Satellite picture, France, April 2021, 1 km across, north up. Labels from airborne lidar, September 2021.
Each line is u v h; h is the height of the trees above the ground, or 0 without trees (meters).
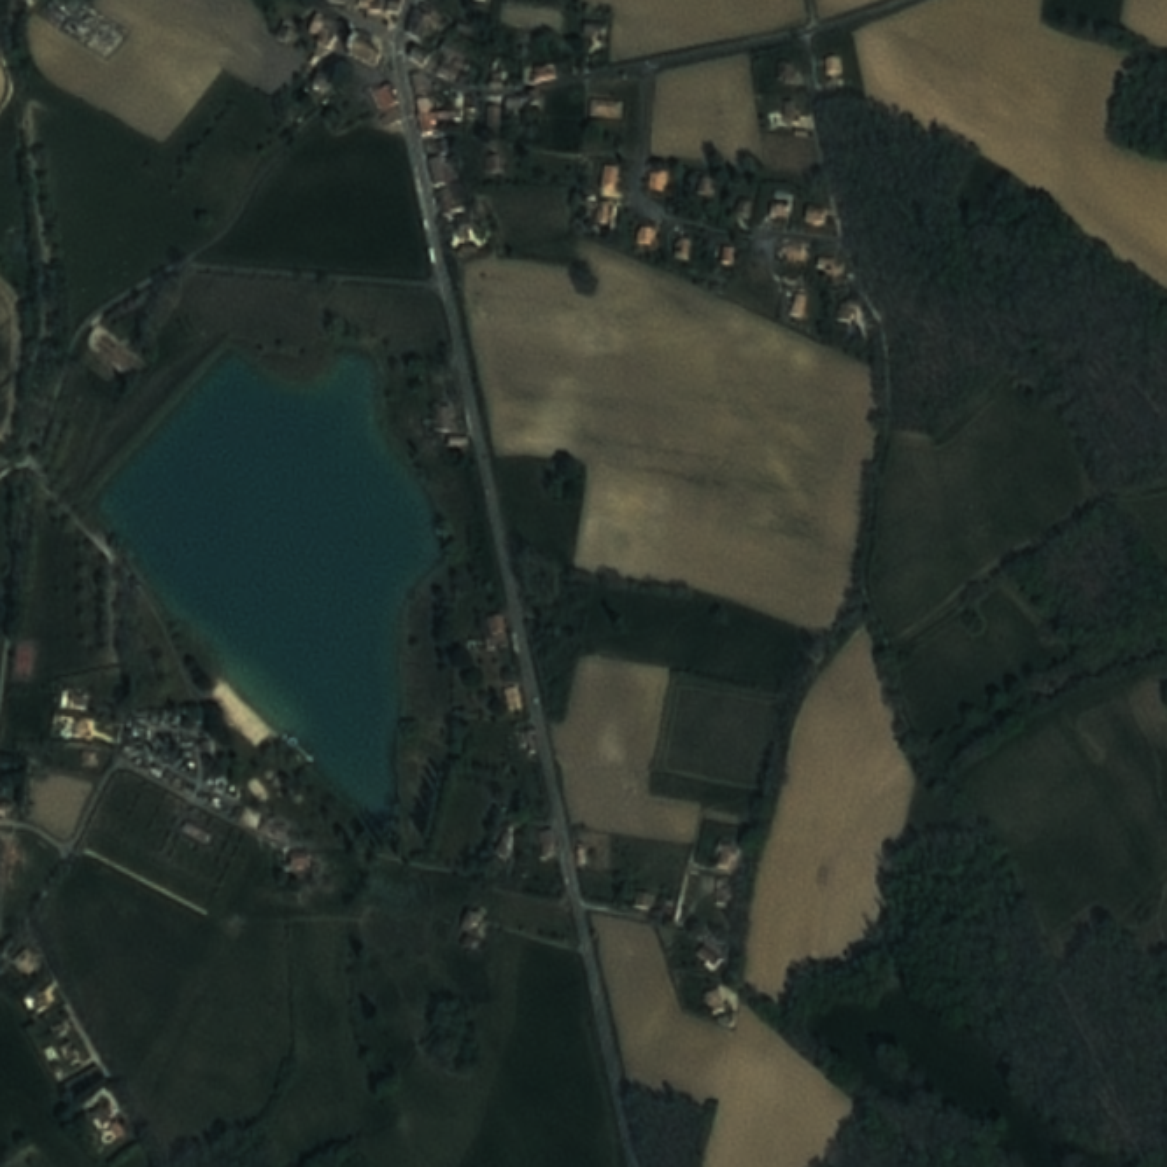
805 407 0
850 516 0
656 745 0
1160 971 20
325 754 0
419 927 0
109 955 0
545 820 9
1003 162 0
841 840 0
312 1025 0
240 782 10
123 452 0
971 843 20
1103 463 17
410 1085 0
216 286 0
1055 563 20
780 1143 0
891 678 16
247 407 0
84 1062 0
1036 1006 22
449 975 0
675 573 0
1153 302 22
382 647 0
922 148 25
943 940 22
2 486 0
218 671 0
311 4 13
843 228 12
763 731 0
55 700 7
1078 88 0
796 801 0
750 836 14
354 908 19
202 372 0
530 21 0
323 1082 0
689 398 0
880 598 0
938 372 11
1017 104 0
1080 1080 18
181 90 0
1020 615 0
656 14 0
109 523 0
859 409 0
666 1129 23
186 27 0
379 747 0
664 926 11
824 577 0
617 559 0
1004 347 17
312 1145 0
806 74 0
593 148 8
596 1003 0
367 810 0
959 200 23
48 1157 0
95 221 0
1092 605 17
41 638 0
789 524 0
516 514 0
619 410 0
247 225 0
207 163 0
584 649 11
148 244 0
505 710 14
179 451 0
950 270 22
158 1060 0
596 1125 0
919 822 0
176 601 0
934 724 0
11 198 0
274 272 0
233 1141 20
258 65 0
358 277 0
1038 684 20
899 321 14
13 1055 0
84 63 0
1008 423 0
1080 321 19
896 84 0
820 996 20
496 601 9
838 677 0
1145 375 17
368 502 0
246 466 0
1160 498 0
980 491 0
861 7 0
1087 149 0
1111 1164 0
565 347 0
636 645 0
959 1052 0
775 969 0
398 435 0
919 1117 22
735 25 0
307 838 9
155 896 0
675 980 0
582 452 0
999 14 0
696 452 0
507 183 11
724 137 0
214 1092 0
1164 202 0
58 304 22
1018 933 20
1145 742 0
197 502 0
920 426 13
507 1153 0
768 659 0
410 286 0
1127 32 12
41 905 14
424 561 0
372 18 0
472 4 11
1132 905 0
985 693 0
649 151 0
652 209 0
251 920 0
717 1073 0
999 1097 0
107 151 0
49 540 0
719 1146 0
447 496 0
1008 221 19
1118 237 0
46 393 17
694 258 7
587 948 0
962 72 0
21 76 17
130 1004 0
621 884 7
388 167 0
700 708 0
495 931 7
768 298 0
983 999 21
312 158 0
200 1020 0
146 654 8
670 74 0
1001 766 0
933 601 0
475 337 0
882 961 23
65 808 0
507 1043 0
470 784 11
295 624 0
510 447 0
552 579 34
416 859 8
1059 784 0
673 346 0
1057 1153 0
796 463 0
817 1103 0
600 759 0
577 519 0
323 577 0
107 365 0
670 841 0
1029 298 24
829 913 0
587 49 6
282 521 0
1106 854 0
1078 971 22
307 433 0
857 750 0
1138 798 0
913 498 0
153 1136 17
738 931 15
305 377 0
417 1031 0
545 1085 0
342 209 0
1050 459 0
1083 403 18
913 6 0
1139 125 14
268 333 0
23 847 0
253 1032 0
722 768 0
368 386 0
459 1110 0
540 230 0
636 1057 0
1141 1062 21
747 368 0
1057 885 0
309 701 0
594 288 17
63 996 15
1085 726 0
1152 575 23
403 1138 0
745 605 0
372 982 0
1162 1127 17
